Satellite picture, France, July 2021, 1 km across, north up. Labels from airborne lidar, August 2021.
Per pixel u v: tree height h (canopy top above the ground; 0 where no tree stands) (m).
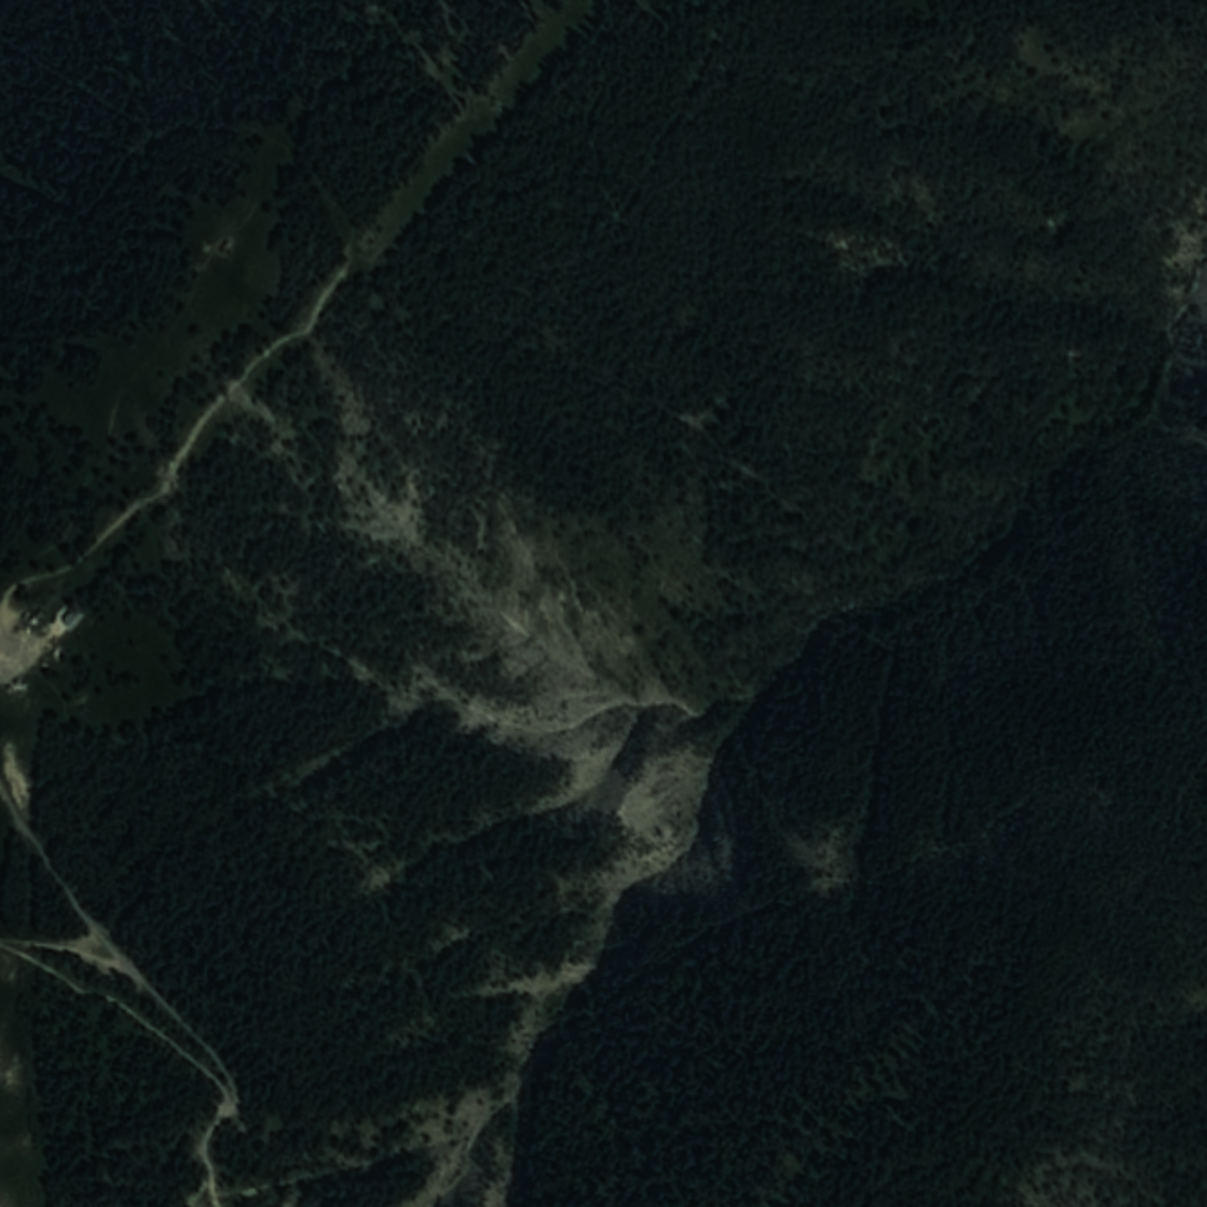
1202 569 26
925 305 20
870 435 13
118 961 0
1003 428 18
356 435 6
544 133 32
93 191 18
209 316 0
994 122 18
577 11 0
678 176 16
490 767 16
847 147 16
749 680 10
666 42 29
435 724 20
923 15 7
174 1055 10
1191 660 20
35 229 26
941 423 12
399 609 15
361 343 16
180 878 22
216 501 18
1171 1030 14
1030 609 19
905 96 12
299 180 22
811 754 20
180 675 8
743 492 15
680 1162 24
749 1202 21
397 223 0
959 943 28
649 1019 29
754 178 14
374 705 16
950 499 14
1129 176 9
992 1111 14
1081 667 24
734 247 17
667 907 14
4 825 0
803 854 0
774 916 17
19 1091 0
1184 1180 15
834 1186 15
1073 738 26
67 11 22
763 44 19
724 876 6
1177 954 15
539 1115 16
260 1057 21
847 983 17
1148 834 14
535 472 14
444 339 16
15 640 0
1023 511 6
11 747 0
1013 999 21
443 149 0
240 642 19
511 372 20
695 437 17
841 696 26
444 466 7
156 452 14
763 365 17
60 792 15
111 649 0
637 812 0
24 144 17
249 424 15
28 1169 0
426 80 22
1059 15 16
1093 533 20
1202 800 16
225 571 6
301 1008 22
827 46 22
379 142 28
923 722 23
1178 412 10
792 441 13
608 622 6
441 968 16
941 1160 9
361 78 28
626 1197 11
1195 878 17
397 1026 15
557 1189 11
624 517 12
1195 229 8
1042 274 7
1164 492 10
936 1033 23
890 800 21
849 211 20
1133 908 11
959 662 13
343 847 9
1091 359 15
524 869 27
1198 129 11
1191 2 15
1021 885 14
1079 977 13
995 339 21
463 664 8
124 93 17
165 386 0
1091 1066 15
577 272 11
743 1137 26
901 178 8
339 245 16
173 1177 24
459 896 13
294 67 24
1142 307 10
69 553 21
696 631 8
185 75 20
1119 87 9
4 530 19
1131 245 13
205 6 35
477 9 31
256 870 30
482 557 9
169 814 19
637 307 21
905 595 7
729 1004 17
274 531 12
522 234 21
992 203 12
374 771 29
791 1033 18
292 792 12
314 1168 7
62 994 6
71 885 10
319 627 9
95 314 14
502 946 7
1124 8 16
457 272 18
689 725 6
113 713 0
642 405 23
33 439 14
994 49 12
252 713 26
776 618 14
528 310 15
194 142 20
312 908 23
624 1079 20
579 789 0
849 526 12
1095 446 13
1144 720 21
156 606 19
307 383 16
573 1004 9
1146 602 6
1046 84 7
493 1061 14
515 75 0
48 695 0
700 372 20
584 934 12
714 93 14
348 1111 13
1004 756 20
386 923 17
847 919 17
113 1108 11
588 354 20
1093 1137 13
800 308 16
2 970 0
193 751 19
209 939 28
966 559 13
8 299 19
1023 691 24
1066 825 11
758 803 18
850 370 11
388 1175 30
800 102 16
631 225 16
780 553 10
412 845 18
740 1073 7
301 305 10
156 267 17
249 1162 16
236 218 0
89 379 16
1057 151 13
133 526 14
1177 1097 11
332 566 16
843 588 17
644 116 16
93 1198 18
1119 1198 13
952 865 10
